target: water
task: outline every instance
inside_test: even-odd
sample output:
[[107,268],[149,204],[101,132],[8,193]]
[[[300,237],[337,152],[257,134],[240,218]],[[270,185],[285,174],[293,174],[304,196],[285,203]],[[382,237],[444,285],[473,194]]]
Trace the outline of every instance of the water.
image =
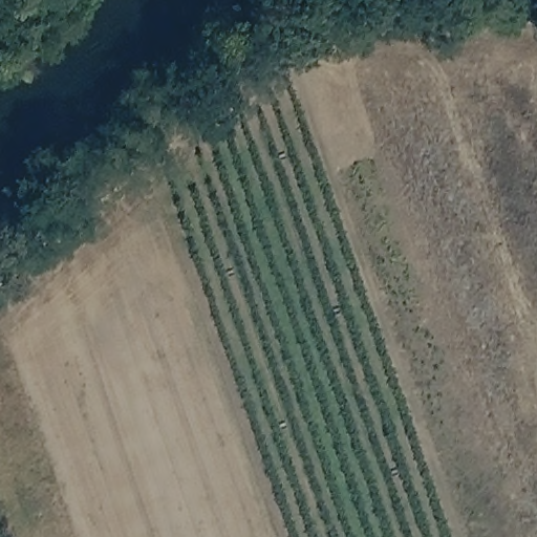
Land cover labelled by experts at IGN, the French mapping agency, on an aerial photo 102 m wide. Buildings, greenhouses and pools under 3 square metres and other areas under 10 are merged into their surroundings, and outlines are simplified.
[[27,172],[27,157],[34,157],[38,151],[48,149],[57,157],[67,159],[78,143],[82,143],[84,138],[96,138],[101,128],[109,124],[111,109],[120,101],[120,96],[134,88],[136,71],[162,71],[168,69],[170,63],[187,63],[189,52],[197,50],[203,44],[201,31],[206,23],[222,19],[231,21],[233,25],[258,25],[262,0],[103,0],[103,6],[96,10],[88,36],[80,44],[67,46],[65,59],[61,63],[50,65],[36,59],[31,82],[19,84],[10,90],[0,90],[0,193],[4,191],[4,187],[19,187]]

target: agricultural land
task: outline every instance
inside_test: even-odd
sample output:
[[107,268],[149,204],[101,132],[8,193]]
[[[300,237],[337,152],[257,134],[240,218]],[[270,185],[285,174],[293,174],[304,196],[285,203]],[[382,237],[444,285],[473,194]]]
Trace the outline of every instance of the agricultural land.
[[499,248],[506,248],[510,252],[514,266],[522,273],[518,279],[520,287],[524,289],[524,296],[531,302],[531,306],[537,310],[537,29],[533,21],[529,21],[522,27],[520,36],[501,38],[485,27],[461,44],[459,57],[447,61],[438,61],[436,50],[424,48],[422,42],[378,42],[373,46],[373,52],[365,59],[319,59],[319,67],[310,71],[302,71],[302,67],[289,69],[273,84],[256,84],[256,94],[252,94],[250,101],[241,101],[235,113],[218,122],[214,132],[208,141],[201,143],[201,147],[193,149],[180,134],[174,134],[168,141],[170,153],[168,157],[159,159],[157,172],[143,172],[136,187],[132,189],[138,197],[128,203],[122,195],[122,199],[117,199],[115,212],[111,212],[103,220],[111,233],[105,239],[82,243],[73,252],[71,260],[61,260],[55,269],[36,275],[29,287],[29,298],[17,304],[8,304],[4,310],[0,310],[0,340],[4,346],[10,348],[25,392],[31,396],[31,407],[36,407],[40,415],[40,430],[46,436],[46,449],[52,457],[57,482],[65,491],[63,497],[69,508],[78,537],[537,537],[537,338],[529,338],[527,334],[518,331],[516,302],[508,285],[503,283],[503,275],[497,269],[497,262],[501,262]]

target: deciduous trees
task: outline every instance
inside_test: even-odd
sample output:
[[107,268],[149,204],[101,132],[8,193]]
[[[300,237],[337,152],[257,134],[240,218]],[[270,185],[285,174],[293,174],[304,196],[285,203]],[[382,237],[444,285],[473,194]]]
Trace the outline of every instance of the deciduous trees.
[[0,90],[10,90],[19,84],[31,82],[36,59],[50,65],[61,63],[65,59],[67,46],[80,44],[88,36],[96,10],[103,6],[103,0],[0,0]]
[[168,141],[174,134],[180,134],[193,149],[201,147],[201,143],[208,141],[214,132],[218,122],[235,113],[241,101],[250,101],[252,94],[256,94],[256,84],[273,84],[289,69],[302,67],[302,71],[310,71],[319,67],[319,59],[365,59],[373,52],[373,46],[378,42],[422,42],[424,48],[436,50],[438,61],[447,61],[459,57],[461,44],[485,27],[501,38],[520,36],[522,27],[529,21],[533,21],[537,29],[537,0],[262,0],[258,25],[233,25],[231,21],[222,19],[206,23],[201,31],[203,44],[197,50],[189,52],[187,63],[170,63],[168,69],[162,71],[136,71],[134,88],[120,96],[120,101],[111,109],[109,124],[101,128],[96,138],[84,138],[82,143],[78,143],[67,159],[57,157],[48,149],[38,151],[34,157],[27,157],[27,172],[19,187],[4,187],[4,191],[0,193],[0,310],[4,310],[8,304],[17,304],[29,298],[29,287],[36,275],[55,269],[61,260],[71,260],[73,252],[82,243],[105,239],[111,233],[103,220],[111,212],[115,212],[117,199],[122,199],[122,195],[128,203],[138,197],[132,189],[136,187],[143,172],[157,172],[159,159],[168,157],[170,153]]

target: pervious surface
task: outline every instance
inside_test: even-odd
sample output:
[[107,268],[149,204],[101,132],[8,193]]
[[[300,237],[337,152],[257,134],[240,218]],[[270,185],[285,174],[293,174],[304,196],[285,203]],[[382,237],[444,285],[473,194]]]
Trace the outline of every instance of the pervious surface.
[[531,302],[524,296],[524,289],[520,287],[518,279],[522,273],[514,266],[510,252],[506,248],[499,248],[501,262],[497,262],[497,269],[503,275],[503,283],[508,285],[516,302],[518,331],[527,334],[529,338],[537,338],[537,310],[531,306]]

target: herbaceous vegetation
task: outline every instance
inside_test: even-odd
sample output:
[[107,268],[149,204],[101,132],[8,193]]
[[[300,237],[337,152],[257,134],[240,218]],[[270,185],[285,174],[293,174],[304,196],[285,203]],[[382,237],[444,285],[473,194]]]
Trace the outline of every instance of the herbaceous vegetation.
[[4,346],[0,340],[0,537],[78,537],[69,508],[63,497],[65,491],[57,482],[52,457],[46,449],[46,436],[40,430],[40,415],[36,407],[31,407],[31,396],[25,392],[10,348]]

